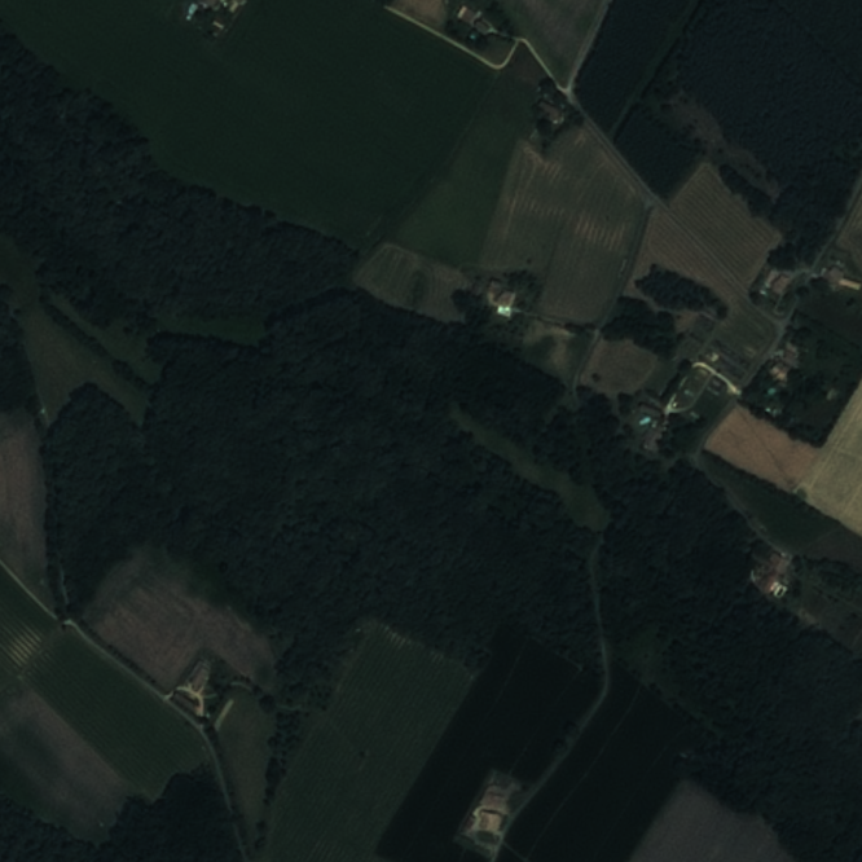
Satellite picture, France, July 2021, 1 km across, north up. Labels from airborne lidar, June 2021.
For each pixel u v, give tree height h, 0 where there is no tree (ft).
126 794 0
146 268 68
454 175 0
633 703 0
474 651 72
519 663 0
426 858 0
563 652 30
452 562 70
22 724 0
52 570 37
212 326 0
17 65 38
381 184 0
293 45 0
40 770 0
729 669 68
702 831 0
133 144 54
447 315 0
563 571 57
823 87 42
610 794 0
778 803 81
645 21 52
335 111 0
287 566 69
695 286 27
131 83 0
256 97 0
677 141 48
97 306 81
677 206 0
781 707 70
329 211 0
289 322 79
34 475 0
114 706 0
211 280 78
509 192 0
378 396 75
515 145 0
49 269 67
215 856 60
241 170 0
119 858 64
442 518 67
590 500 0
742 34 41
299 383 72
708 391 0
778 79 37
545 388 55
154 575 0
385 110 0
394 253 0
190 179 0
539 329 0
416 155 0
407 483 75
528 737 0
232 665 0
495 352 59
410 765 0
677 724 0
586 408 42
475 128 0
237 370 81
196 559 32
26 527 0
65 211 68
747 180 49
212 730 42
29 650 0
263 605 65
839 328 0
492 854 0
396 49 0
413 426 65
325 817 0
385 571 63
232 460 73
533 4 0
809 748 61
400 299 0
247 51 0
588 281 0
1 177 113
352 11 0
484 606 63
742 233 0
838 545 0
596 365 0
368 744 0
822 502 0
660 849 0
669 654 24
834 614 0
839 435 0
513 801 0
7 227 53
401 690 0
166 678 0
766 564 26
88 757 0
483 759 0
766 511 0
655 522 76
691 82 39
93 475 65
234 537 86
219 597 0
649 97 34
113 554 52
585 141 0
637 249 0
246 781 0
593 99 46
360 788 0
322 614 56
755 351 0
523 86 0
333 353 69
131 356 0
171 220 59
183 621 0
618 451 66
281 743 46
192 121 0
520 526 52
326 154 0
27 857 42
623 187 0
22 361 62
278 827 0
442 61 0
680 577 66
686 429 53
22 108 81
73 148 82
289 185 0
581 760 0
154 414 70
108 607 0
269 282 90
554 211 0
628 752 0
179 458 69
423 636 61
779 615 76
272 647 0
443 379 64
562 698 0
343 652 45
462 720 0
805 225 57
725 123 38
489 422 48
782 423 21
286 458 65
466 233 0
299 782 0
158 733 0
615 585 48
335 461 74
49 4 0
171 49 0
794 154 39
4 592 0
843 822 68
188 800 50
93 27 0
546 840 0
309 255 54
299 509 47
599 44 45
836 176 47
